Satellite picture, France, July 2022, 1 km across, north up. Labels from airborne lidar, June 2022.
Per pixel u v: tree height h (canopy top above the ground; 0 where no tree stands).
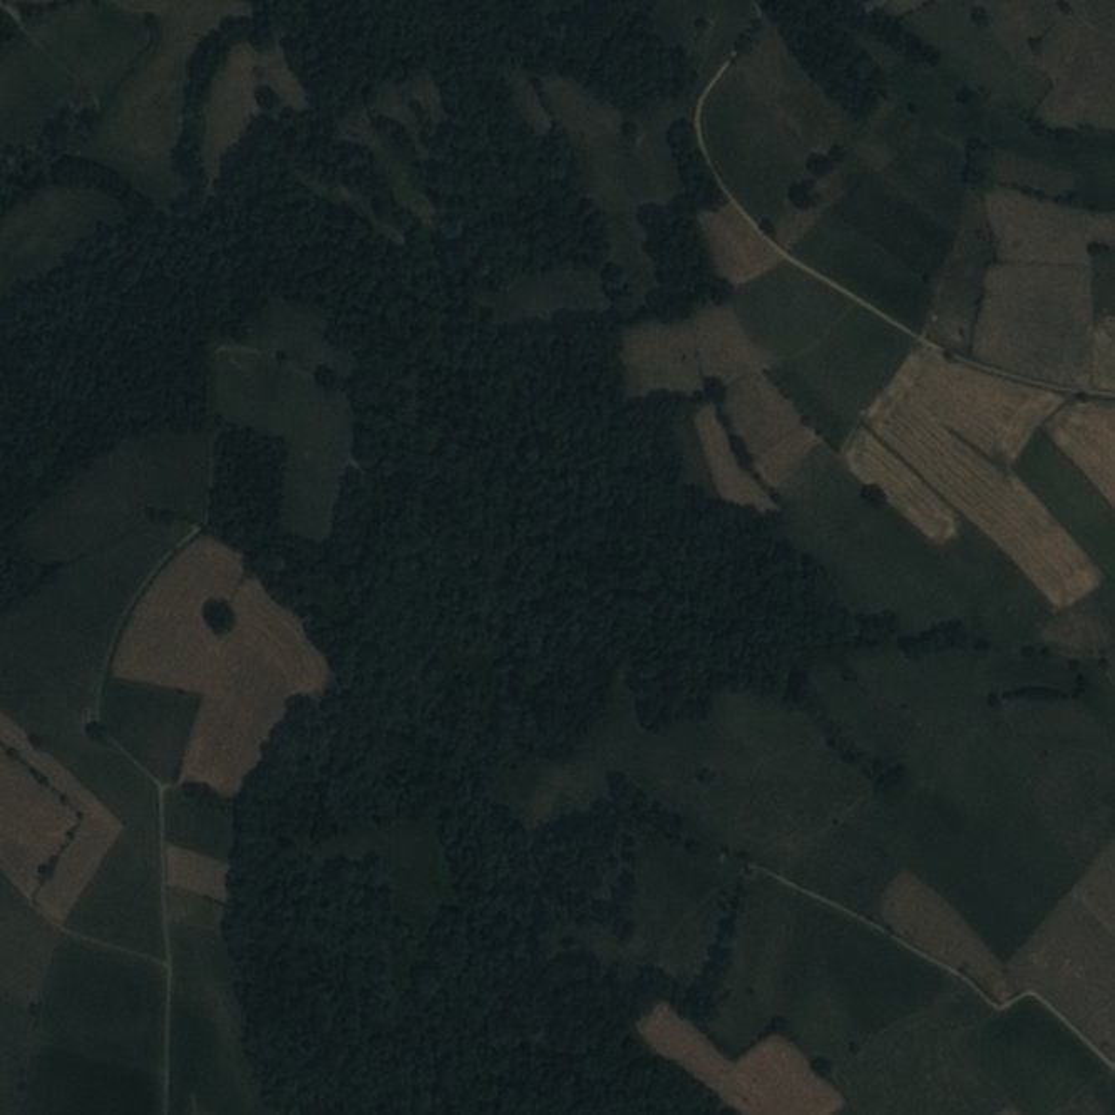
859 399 0
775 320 0
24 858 0
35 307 27
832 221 0
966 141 0
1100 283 0
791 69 0
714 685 18
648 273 0
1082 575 0
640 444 24
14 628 0
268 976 18
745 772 0
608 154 0
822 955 0
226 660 0
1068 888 0
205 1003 0
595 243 21
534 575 31
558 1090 27
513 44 27
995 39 0
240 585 0
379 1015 20
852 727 0
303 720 21
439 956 29
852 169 0
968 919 0
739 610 35
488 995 28
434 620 22
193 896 0
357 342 23
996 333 0
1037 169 0
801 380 0
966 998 0
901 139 0
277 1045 19
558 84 0
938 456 0
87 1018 0
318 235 24
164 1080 0
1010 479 0
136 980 0
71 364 27
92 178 19
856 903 0
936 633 14
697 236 17
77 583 0
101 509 0
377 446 24
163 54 0
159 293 23
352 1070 25
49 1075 0
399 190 0
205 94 10
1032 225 0
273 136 27
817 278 0
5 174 20
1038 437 0
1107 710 0
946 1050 0
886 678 0
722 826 0
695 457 0
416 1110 32
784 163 0
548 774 0
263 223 21
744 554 30
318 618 22
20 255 0
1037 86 0
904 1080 0
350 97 20
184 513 0
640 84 26
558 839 27
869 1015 0
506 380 22
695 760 0
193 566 0
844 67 18
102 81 0
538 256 24
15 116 0
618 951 0
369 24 22
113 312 24
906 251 0
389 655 24
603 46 10
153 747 0
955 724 0
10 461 24
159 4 0
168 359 25
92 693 0
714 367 0
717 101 0
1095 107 0
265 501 13
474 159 29
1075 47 0
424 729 22
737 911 15
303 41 21
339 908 23
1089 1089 0
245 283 27
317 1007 27
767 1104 0
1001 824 0
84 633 0
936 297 0
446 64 19
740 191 0
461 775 16
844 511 0
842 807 0
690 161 13
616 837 19
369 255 32
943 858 0
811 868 0
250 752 0
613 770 0
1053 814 0
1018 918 0
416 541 25
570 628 24
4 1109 0
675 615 26
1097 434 0
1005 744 0
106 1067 0
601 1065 30
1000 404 0
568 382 28
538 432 10
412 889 0
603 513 33
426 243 13
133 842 0
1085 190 0
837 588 17
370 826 9
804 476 0
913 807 0
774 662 28
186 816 0
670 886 0
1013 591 0
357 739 23
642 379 0
